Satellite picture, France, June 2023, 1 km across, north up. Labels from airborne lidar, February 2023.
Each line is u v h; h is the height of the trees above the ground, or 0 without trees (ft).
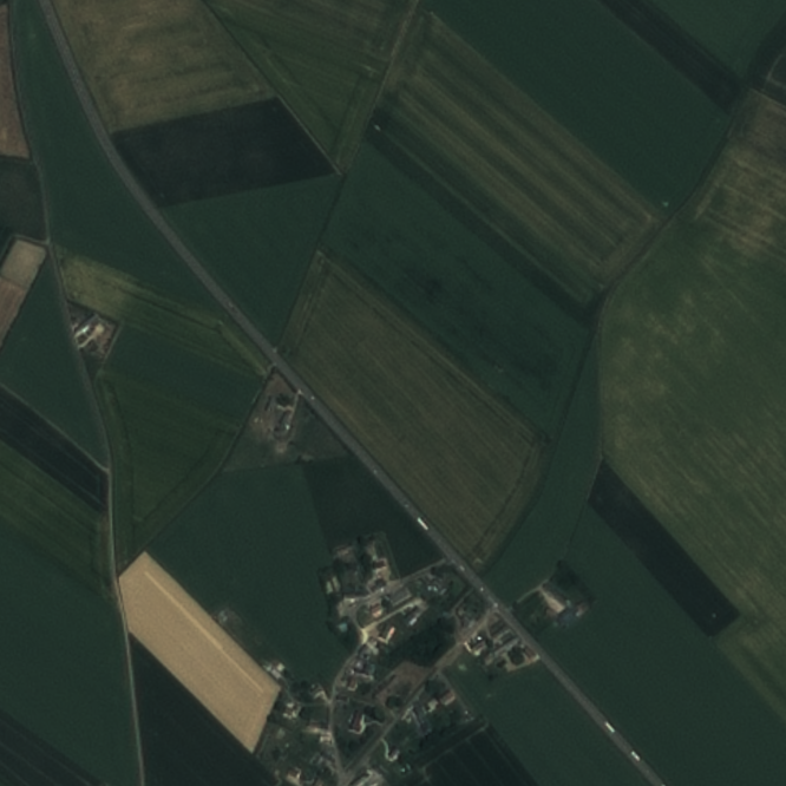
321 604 0
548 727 0
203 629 0
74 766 0
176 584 0
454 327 0
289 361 0
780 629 0
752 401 0
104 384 0
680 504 0
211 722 0
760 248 0
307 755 0
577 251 0
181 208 0
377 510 0
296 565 0
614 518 0
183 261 0
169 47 0
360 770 0
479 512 0
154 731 0
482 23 0
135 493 0
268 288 0
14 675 0
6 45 0
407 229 0
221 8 0
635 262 0
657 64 0
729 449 0
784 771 0
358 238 0
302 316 0
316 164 0
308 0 0
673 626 0
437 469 0
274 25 0
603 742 0
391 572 0
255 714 0
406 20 0
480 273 0
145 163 0
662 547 0
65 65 0
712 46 0
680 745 0
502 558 0
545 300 0
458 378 0
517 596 0
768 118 0
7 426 0
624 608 0
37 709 0
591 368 0
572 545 0
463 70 0
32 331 0
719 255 0
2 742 0
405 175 0
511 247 0
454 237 0
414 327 0
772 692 0
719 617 0
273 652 0
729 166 0
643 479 0
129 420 0
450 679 0
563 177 0
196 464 0
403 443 0
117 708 0
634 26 0
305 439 0
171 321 0
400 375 0
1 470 0
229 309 0
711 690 0
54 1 0
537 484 0
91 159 0
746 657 0
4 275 0
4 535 0
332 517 0
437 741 53
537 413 0
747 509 0
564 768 0
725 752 0
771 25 0
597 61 0
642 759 0
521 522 0
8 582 0
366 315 0
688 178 0
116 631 0
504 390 0
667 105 0
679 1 0
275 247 0
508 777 0
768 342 0
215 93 0
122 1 0
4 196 0
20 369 0
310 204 0
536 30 0
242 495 0
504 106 0
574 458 0
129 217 0
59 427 0
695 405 0
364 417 0
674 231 0
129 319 0
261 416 0
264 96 0
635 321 0
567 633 0
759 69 0
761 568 0
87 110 0
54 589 0
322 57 0
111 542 0
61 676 0
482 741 0
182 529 0
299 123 0
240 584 0
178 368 0
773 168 0
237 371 0
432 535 0
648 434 0
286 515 0
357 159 0
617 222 0
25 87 0
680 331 0
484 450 0
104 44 0
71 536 0
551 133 0
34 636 0
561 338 0
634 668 0
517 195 0
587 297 0
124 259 0
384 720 30
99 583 0
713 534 0
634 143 0
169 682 0
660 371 0
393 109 0
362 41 0
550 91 0
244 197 0
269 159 0
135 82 0
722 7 0
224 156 0
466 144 0
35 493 0
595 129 0
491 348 0
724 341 0
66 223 0
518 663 30
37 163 0
